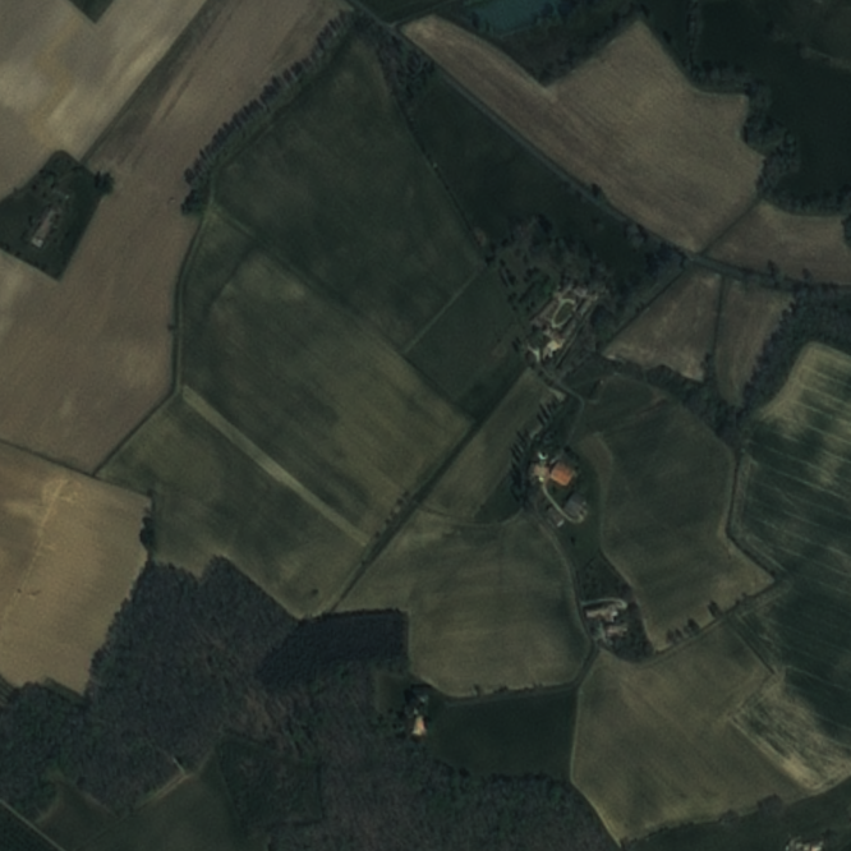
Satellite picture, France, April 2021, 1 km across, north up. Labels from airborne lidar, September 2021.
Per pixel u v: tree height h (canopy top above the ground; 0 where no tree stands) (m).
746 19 0
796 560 0
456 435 0
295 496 0
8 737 19
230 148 25
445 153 0
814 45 0
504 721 0
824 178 0
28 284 0
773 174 17
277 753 14
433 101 0
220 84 0
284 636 18
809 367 0
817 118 0
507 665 0
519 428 0
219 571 18
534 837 17
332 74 0
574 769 0
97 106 0
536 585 0
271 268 0
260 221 0
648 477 0
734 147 0
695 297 0
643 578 0
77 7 0
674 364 0
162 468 0
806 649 0
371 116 0
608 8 30
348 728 19
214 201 0
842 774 0
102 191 15
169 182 0
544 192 0
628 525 0
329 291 0
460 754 0
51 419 0
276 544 0
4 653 0
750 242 0
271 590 0
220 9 0
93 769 21
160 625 19
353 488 0
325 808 11
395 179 0
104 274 0
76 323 0
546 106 0
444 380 0
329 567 0
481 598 0
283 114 0
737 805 0
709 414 22
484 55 0
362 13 0
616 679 0
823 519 0
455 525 0
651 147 0
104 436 0
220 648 8
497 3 0
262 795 7
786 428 0
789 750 0
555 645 0
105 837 0
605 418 0
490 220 0
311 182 0
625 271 0
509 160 0
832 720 0
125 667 20
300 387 0
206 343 0
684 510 0
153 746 18
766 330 0
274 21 0
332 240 0
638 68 0
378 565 0
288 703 20
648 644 12
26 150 0
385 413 0
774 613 0
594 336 14
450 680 0
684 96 0
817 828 0
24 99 0
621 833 0
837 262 0
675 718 0
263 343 0
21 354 0
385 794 13
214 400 0
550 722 0
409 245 0
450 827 15
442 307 0
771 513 0
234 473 0
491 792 14
